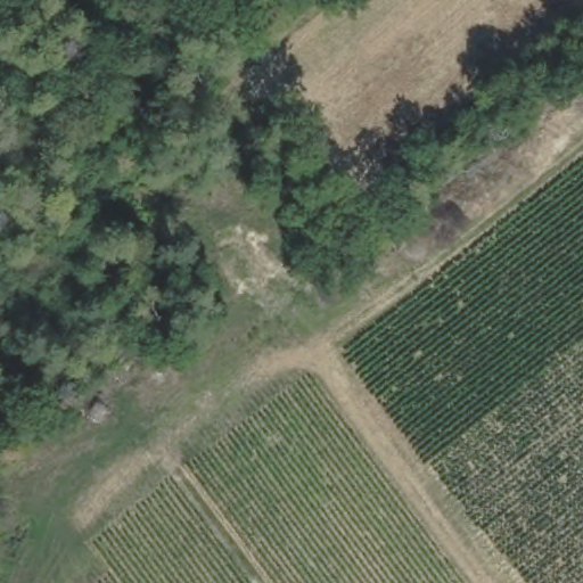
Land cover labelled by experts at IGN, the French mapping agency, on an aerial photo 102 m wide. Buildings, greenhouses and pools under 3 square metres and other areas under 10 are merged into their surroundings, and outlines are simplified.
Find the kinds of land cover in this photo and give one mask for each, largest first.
<instances>
[{"label":"vineyard","instance_id":"1","mask_svg":"<svg viewBox=\"0 0 583 583\"><path fill-rule=\"evenodd\" d=\"M344 360L358 367V376L364 380L367 389L378 399L383 410L392 417L396 428L410 440L421 462L433 465V469L440 474L449 492L455 499H460L465 515L471 519V524L483 528L494 540L496 549L506 553V558L524 576L526 583H583V157L574 159L567 169L558 171L528 200H519L515 212L506 214L503 219H496V225L485 230L478 239H474L471 246L465 248V253L449 260L417 289H412L408 296H403L392 307L380 312L373 321L353 332L344 342ZM214 394L216 408L212 410L210 421L191 430L187 440L180 444L182 460L175 465V469L166 471L164 467L155 465L146 467L134 478V483L121 490L89 526L80 528L87 551L96 558L100 567V574L89 578L87 583H469V578L451 558H442L437 540L430 535L428 526L414 510V506L408 503L405 494L394 483L389 471L380 465L376 453L369 449L367 440L346 419V414L339 408V401L321 380V376L305 369H287L276 373L255 392H239L230 383H214L207 389Z\"/></svg>","mask_w":583,"mask_h":583},{"label":"deciduous trees","instance_id":"2","mask_svg":"<svg viewBox=\"0 0 583 583\"><path fill-rule=\"evenodd\" d=\"M25 0H0V30H14L23 25ZM75 5L87 18V43L77 50L73 59H68L64 68L30 75L27 71L0 59V87H7L9 93L5 102L14 105L16 112H32V102L39 96H55L57 105L39 116L46 121L52 134H59L61 141H68L75 148L73 166L77 171V178L73 180L75 207L71 212L68 225L59 228V223L46 216L41 223L34 221L30 228H23L16 219H11L0 230V241H11L23 235L30 237L32 244L30 251L18 248V255L11 257L7 266H0V455L11 449L34 451L36 444H55L71 424H77L82 419V403L89 401L87 389L100 378H105L102 364L89 362V373L82 378L57 373L55 380H46V367L41 362H23V348H30L34 339H43L48 335L55 346L66 348L68 358L75 360L80 355L82 344L100 326H109L112 339L118 346L125 348V353L130 355L146 358L148 369L162 371L171 367L178 373H184L205 360L203 339L214 337L230 321V312H225L219 303L223 301L230 285L214 262H207L203 235L184 221V214L180 212L182 200L194 189L189 182H180L178 175L157 182H141L139 166L132 159L139 157L141 143L146 141L143 128L148 123V105L157 91H164L169 87L171 77L180 73V46L187 41L210 43L212 34L228 30L237 39L235 46L244 61L264 57L278 43L289 46L294 32L303 30L321 9L330 20L337 23V14L346 9L342 0H77ZM125 235L137 237L134 260H121L109 264L107 260L89 253L93 246L107 239H123ZM483 89L476 96V105L469 112H465L458 121L449 116L444 125L435 132H417L410 141H405L403 153L394 157L387 171L369 175L367 189H360L355 182L344 180L330 164L326 155V137H330V130L323 121L321 105L303 98L305 87L301 77L294 84H285V93H276L271 96V100L253 98L244 105L248 112V121L237 118L230 125V139L235 141L239 155V159L230 166L244 184V200L255 203L264 216L273 214L276 228L280 232V262L285 264V269L294 276H303L305 280H310L323 296H328L330 292H342L351 296L360 289L364 280L373 278L376 262L383 253H387L394 246L412 241L419 235H426L430 225V212L435 205H440V191L446 184H453L458 178H462L467 166L476 157H481L490 148H517L535 132L537 118L549 102L556 109H565L576 96H583V0H581L572 11L565 14L563 20L556 23L549 36H544L537 43L531 41L522 50L499 57L496 64L487 71V77L481 82Z\"/></svg>","mask_w":583,"mask_h":583},{"label":"herbaceous vegetation","instance_id":"3","mask_svg":"<svg viewBox=\"0 0 583 583\"><path fill-rule=\"evenodd\" d=\"M583 157V96H576L565 109H556L549 102L537 118L535 132L517 148H490L481 157H476L467 166L462 178H458L453 184H446L440 191V205H435L430 212V225L426 235H419L412 241L394 246L387 253H383L376 262L373 278L364 280L360 289L351 296L342 292H330L328 296H323L310 280H305L303 276H294L285 269V264L280 262V232L276 228L273 214L264 216L255 203L244 200V184L230 166L223 169V178L219 182L203 180L200 187L194 189L182 200L180 212L184 214V221L203 235L207 262H214L230 285L223 301L219 303L225 312H230V321L214 337L203 339L205 360L184 373H178L171 367L162 371L148 369L146 358L130 355L125 353V348L118 346L116 355H112L109 362L102 364L105 378H100L87 389L89 401L82 403V419L77 424H71L55 444H36L34 451L11 449L0 455V510L9 526L5 540L9 549L7 553L14 560L11 583H87L89 578L100 574V567L96 558L87 551L80 528L73 522L75 501L93 485V474L98 469H107L112 462L134 453L137 449H146L148 442H153L155 435H159L162 430H173L182 417L196 412L198 396L207 389L214 383H230L239 376L241 369L255 362L257 355L271 353L273 348L285 351L303 346L312 335L319 332L344 353V342L353 332L373 321L380 312L392 307L403 296H408L412 289H417L449 260L465 253V248L471 246L474 239H478L485 230L496 225V219H503L506 214L515 212L519 200H528L558 171L567 169L574 159Z\"/></svg>","mask_w":583,"mask_h":583},{"label":"agricultural land","instance_id":"4","mask_svg":"<svg viewBox=\"0 0 583 583\"><path fill-rule=\"evenodd\" d=\"M346 9L337 14V23L330 20L321 9L303 30L294 32L289 46L278 43L264 57L244 61L239 71V96L244 105L253 98L271 100V96L276 93H285V84H294L301 77L305 87L303 98L321 105L323 121L330 130V137H326V155L330 164L344 180L355 182L360 189H367L369 175L387 171L394 157L403 153L405 141H410L417 132H435L444 125L449 116L458 121L465 112H469L476 105V96L483 89L481 82L487 77V71L496 64L499 57L522 50L531 41L537 43L544 36H549L556 23L563 20L565 14L572 11L581 0H342Z\"/></svg>","mask_w":583,"mask_h":583},{"label":"coniferous trees","instance_id":"5","mask_svg":"<svg viewBox=\"0 0 583 583\"><path fill-rule=\"evenodd\" d=\"M77 0H25L23 25L14 30H0V59L27 71L30 75L64 68L68 59H73L77 50L87 43V18L75 5ZM237 39L228 30L212 34L210 43L187 41L180 46V73L171 77L169 87L164 91H157L148 105V123L143 128L146 141L141 143L139 157L132 159L139 166L141 182H157L178 175L180 182H189L194 189L200 187L203 180L219 182L223 178V169L230 166L239 159V155L235 141L230 139V125L237 118L248 121V112L244 105L239 96V71L244 61L235 46ZM9 93L7 87H0V230L11 219H16L23 228H30L34 221L41 223L46 216L59 223V228L68 225L71 212L75 207L73 180L77 178V171L73 166L75 148L68 141H61L59 134H52L46 121L39 116L57 105L55 96H39L32 102V112H16L14 105L5 102ZM18 248L30 251L32 244L30 237L23 235L11 241H0V266H7L11 257L18 255ZM89 253L107 260L109 264L121 260H134L137 237L125 235L123 239H107L93 246ZM118 346L112 339L109 326H100L82 344L80 355L75 360L68 358L66 348L55 346L48 335L43 339H34L30 348H23V362H41L46 367V380H55L57 373L82 378L89 373V362L102 364L109 362L112 355H116ZM9 526L0 510V583H11L14 560L7 553L9 549L5 540Z\"/></svg>","mask_w":583,"mask_h":583},{"label":"pervious surface","instance_id":"6","mask_svg":"<svg viewBox=\"0 0 583 583\"><path fill-rule=\"evenodd\" d=\"M287 369H305L321 376V380L339 401V408L346 414V419L367 440L369 449L376 453L380 465L389 471L394 483L405 494L408 503L414 506V510L428 526L430 535L437 540L442 558H451L469 578V583H526L524 576L506 558V553L496 549L494 540L483 528L471 524V519L465 515L460 499H455L449 492L440 474L433 469V465L421 462L410 440L396 428L392 417L383 410L378 399L367 389L364 380L358 376V367L344 360V353L319 332L312 335L303 346L285 351L273 348L271 353L257 355L255 362L241 369L239 376L230 383L239 392H255L276 373ZM196 412L182 417L173 430H162L159 435H155L153 442H148L146 449H137L134 453L112 462L107 469H98L93 474V485L75 501L73 522L80 528L89 526L121 490L134 483V478L146 467L155 465L164 467L166 471L175 469V465L182 460L180 444L187 440L191 430L210 421L212 410L216 408L214 394L207 389L198 396Z\"/></svg>","mask_w":583,"mask_h":583}]
</instances>
